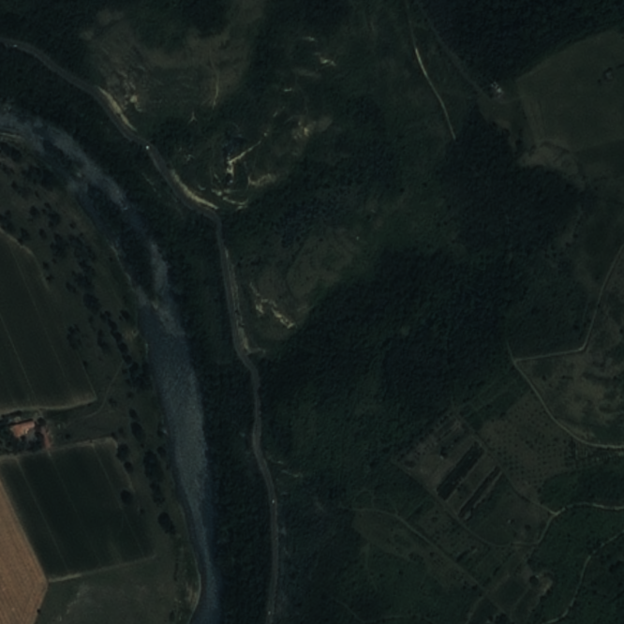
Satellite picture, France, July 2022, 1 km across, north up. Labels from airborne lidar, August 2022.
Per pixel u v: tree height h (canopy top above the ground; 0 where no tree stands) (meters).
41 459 0
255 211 8
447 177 11
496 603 0
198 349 33
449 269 12
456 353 11
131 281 0
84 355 0
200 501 0
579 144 0
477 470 0
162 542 0
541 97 0
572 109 0
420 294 12
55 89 12
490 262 6
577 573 6
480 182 12
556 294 9
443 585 0
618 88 0
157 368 0
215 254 12
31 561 0
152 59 0
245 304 0
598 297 0
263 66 14
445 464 0
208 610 0
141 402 0
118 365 0
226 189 0
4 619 0
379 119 8
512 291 11
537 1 20
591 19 12
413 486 7
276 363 17
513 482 0
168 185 9
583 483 7
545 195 7
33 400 0
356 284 11
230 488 21
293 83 0
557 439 7
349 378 9
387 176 8
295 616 7
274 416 9
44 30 12
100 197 21
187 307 24
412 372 16
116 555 0
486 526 0
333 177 13
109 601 0
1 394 0
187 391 0
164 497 17
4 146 14
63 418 0
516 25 22
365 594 6
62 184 0
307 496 6
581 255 0
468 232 12
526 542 0
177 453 0
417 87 0
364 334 15
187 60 0
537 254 8
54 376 0
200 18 10
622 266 0
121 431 11
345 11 8
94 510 0
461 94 0
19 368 0
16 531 0
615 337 0
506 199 20
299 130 0
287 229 7
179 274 20
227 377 24
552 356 0
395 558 6
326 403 11
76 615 0
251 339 0
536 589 0
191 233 19
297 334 8
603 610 7
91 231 0
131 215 0
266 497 7
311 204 8
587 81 0
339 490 7
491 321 18
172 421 0
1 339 0
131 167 13
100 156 18
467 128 9
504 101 0
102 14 0
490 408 7
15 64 14
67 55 10
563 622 7
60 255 18
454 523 7
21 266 0
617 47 0
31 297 0
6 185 0
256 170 0
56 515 0
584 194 7
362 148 12
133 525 0
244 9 0
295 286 0
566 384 0
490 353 12
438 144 0
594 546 11
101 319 8
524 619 0
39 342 0
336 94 5
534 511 0
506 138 9
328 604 9
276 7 9
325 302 10
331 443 5
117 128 6
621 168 0
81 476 0
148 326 0
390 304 20
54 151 21
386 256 13
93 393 0
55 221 17
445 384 8
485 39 15
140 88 0
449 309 13
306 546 6
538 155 0
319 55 0
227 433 18
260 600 14
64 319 0
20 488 0
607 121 0
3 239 0
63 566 0
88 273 20
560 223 10
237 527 12
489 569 0
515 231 10
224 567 8
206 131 8
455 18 11
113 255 0
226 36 0
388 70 0
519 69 9
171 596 0
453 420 0
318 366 9
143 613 0
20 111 13
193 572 0
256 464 8
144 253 26
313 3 15
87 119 16
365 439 8
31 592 0
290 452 6
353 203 0
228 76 0
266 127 0
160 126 10
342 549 7
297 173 7
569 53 0
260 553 17
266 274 0
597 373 0
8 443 9
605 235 0
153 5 6
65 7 15
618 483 10
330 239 0
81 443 0
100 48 0
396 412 7
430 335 11
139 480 0
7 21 12
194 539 0
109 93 0
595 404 0
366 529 0
